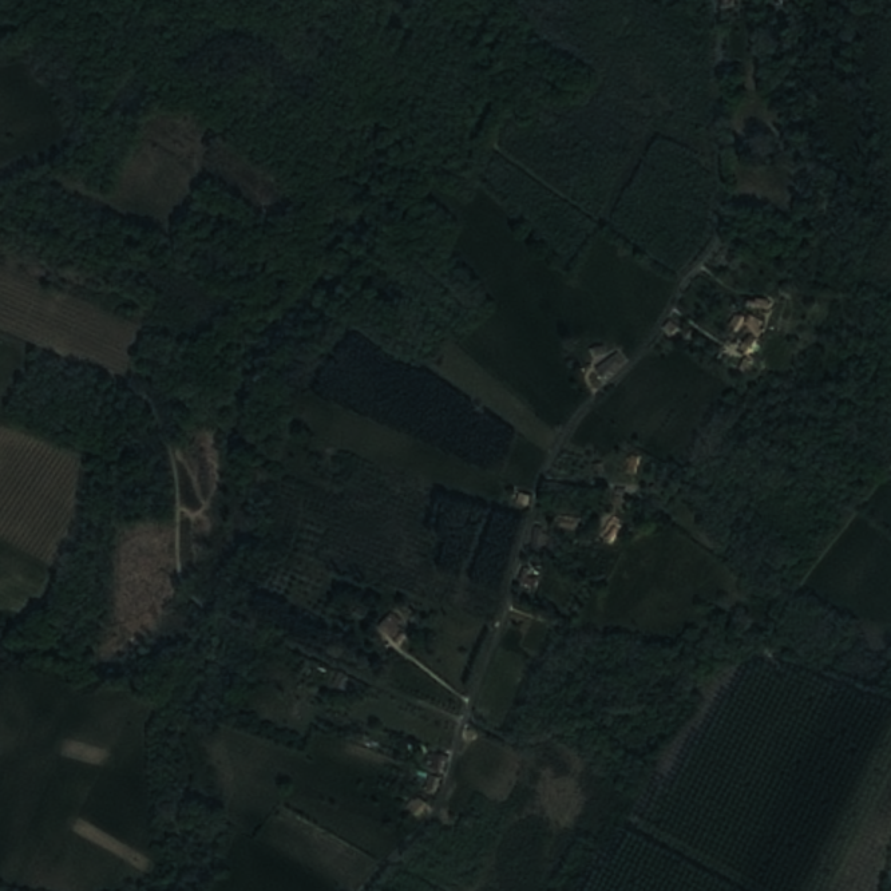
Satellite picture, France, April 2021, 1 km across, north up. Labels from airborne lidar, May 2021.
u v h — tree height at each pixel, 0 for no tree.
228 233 21
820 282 7
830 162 13
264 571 7
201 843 11
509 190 9
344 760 0
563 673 19
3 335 0
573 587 8
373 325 20
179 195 0
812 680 21
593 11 7
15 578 0
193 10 20
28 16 25
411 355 15
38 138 0
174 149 0
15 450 0
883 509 0
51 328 0
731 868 22
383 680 15
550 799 0
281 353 29
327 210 27
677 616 0
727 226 23
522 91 25
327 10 17
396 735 7
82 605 22
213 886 13
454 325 8
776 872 25
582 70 20
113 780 0
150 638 23
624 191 7
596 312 0
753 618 20
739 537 19
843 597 0
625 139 9
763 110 0
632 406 0
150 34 24
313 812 0
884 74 11
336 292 19
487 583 16
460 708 0
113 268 9
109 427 24
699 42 9
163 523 24
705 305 13
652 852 22
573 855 14
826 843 26
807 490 19
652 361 0
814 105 20
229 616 14
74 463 0
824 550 11
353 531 10
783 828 26
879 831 24
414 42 27
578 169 7
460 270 20
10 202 15
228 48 25
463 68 20
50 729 0
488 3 23
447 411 14
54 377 19
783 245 26
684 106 8
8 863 0
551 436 0
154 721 11
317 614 7
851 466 18
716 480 19
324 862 0
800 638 17
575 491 14
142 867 0
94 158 16
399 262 20
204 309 13
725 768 22
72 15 23
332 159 24
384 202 21
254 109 18
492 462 13
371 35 21
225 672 16
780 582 18
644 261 15
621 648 22
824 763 24
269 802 0
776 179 0
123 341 0
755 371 14
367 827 0
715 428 19
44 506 0
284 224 21
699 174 8
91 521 17
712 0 11
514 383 0
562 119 11
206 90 24
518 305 0
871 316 17
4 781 0
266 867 0
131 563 0
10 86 0
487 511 18
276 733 6
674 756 22
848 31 23
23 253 12
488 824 7
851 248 15
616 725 9
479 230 0
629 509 9
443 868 7
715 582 0
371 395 11
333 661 14
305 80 23
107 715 0
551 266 13
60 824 0
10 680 0
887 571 0
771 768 23
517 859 7
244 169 0
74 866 0
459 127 18
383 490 11
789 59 12
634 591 0
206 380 25
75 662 27
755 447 25
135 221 14
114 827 0
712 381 0
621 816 6
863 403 19
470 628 0
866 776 25
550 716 21
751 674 21
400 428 10
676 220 10
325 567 8
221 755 0
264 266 28
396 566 12
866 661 12
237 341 24
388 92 25
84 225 19
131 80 17
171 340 21
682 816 23
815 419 19
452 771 0
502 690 0
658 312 0
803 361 16
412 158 24
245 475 23
